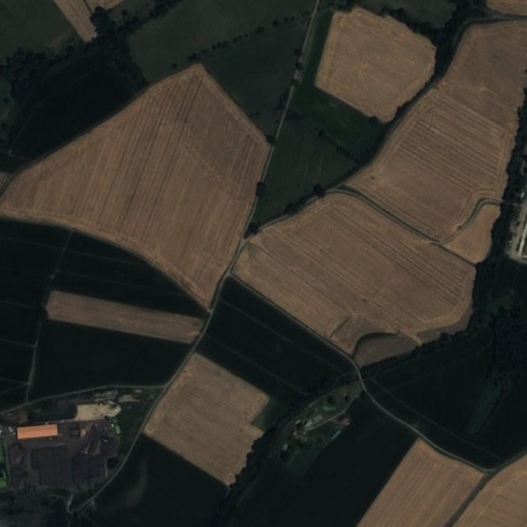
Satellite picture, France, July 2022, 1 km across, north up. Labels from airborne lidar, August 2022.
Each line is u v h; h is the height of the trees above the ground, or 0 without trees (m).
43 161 0
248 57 0
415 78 0
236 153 0
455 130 0
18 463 0
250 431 0
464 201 0
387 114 0
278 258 0
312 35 0
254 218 0
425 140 0
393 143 0
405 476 0
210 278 0
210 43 0
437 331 0
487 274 25
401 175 0
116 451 0
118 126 0
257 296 0
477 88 0
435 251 0
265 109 0
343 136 0
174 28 0
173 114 0
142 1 0
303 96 0
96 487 8
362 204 0
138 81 10
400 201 0
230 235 0
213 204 0
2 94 0
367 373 18
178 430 0
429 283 0
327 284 0
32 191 0
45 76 10
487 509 0
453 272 0
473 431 0
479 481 0
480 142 0
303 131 0
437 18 0
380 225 0
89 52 10
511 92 0
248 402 0
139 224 0
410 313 0
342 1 9
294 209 16
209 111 0
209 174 0
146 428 0
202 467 0
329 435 0
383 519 0
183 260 0
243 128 0
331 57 0
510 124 0
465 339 16
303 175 0
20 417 0
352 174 11
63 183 0
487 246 0
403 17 23
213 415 0
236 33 0
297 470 0
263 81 0
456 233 0
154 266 0
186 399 0
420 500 0
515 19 0
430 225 0
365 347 0
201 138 0
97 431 0
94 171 0
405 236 0
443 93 0
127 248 0
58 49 0
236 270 0
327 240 0
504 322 35
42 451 0
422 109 0
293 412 14
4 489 0
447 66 20
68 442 0
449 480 0
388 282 0
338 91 0
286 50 0
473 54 0
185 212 0
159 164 0
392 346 0
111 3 0
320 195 20
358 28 0
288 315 0
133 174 0
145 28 0
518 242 0
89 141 0
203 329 0
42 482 0
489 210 0
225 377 0
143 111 0
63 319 0
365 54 0
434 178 0
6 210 0
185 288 0
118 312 0
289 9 0
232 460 0
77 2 0
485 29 0
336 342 0
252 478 10
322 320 0
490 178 0
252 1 0
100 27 22
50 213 0
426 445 0
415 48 0
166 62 0
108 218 0
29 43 0
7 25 0
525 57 0
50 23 0
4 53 0
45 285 0
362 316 0
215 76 0
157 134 0
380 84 0
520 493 0
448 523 0
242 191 0
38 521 0
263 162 0
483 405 0
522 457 0
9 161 6
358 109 0
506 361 26
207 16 0
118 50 21
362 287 0
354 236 0
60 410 0
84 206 0
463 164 0
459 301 0
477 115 0
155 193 0
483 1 21
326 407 0
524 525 0
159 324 0
